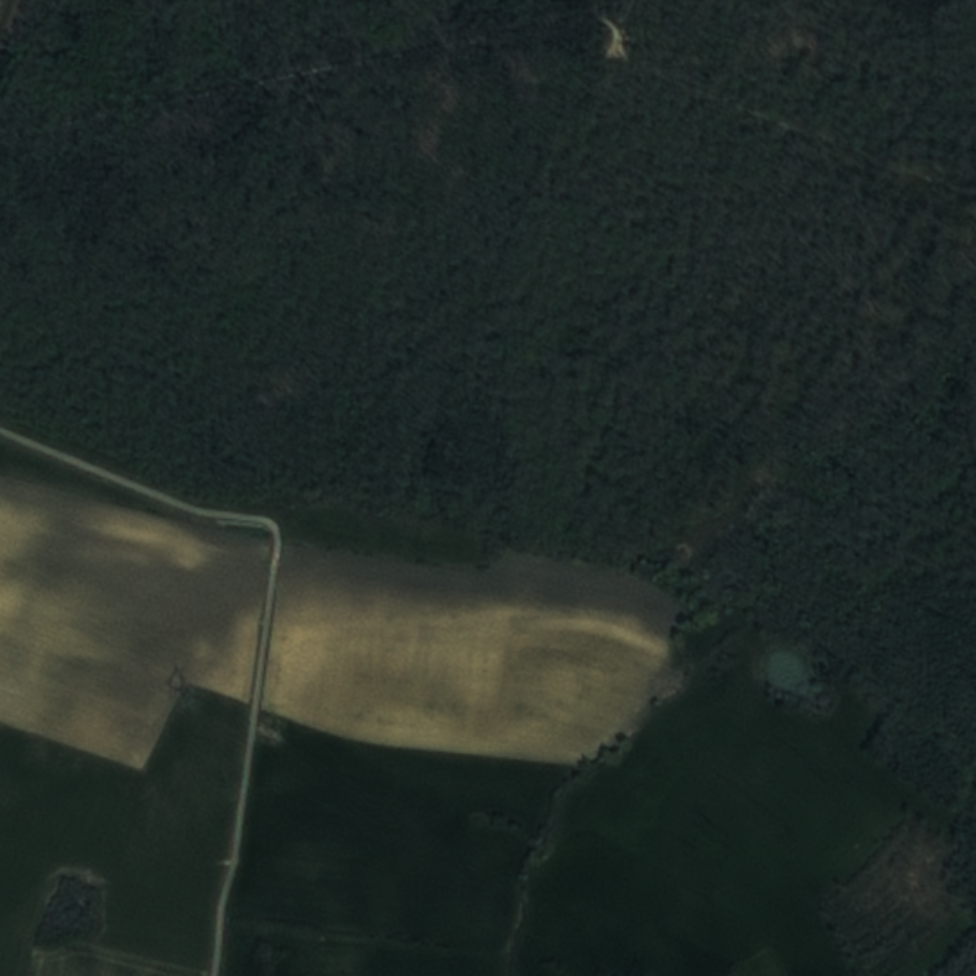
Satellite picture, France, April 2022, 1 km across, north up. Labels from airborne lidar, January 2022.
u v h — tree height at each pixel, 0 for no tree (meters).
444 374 22
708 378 25
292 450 22
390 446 24
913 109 25
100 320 23
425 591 0
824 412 24
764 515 21
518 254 21
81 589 0
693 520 26
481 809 0
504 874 0
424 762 0
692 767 0
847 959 12
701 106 21
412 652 0
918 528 27
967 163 27
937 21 21
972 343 26
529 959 0
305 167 23
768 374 22
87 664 0
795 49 25
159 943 0
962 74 27
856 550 28
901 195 25
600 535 24
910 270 26
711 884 0
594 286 23
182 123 28
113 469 0
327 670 0
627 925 0
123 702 0
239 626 0
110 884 0
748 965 0
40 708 0
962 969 23
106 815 0
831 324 25
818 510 23
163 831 0
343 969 0
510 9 23
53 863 0
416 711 0
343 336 22
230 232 23
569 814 0
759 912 0
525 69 27
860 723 0
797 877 0
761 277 21
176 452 25
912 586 14
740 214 21
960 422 27
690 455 21
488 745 0
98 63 28
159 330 22
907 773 20
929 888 0
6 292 21
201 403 23
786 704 10
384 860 0
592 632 0
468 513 15
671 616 0
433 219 23
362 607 0
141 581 0
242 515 0
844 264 26
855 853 0
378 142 23
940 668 13
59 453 0
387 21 27
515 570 0
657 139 21
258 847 0
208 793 0
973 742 15
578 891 0
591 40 25
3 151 22
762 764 0
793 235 26
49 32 26
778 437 22
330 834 0
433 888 0
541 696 0
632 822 0
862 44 24
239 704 0
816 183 27
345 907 0
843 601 14
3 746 0
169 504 0
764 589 19
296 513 0
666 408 28
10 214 23
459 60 26
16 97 25
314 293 24
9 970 0
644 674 0
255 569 0
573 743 0
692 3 27
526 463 20
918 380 25
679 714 0
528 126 23
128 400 27
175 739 0
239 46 22
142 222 21
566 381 21
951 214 7
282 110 25
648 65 22
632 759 0
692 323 19
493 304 23
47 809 0
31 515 0
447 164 25
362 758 0
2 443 0
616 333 21
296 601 0
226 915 0
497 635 0
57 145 24
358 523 0
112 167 26
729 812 0
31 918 0
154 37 26
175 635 0
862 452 19
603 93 26
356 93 24
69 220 23
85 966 0
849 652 16
